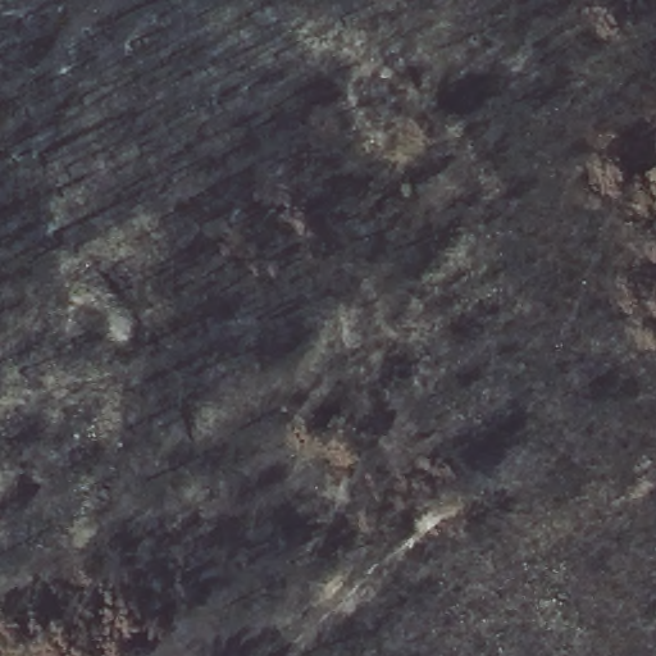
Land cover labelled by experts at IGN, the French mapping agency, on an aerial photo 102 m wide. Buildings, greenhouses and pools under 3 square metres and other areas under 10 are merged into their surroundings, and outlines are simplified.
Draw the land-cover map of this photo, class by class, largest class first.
<instances>
[{"label":"bare soil","instance_id":"1","mask_svg":"<svg viewBox=\"0 0 656 656\"><path fill-rule=\"evenodd\" d=\"M638 120L656 126V0H0V592L26 584L41 587L51 577L64 579L74 564L92 559L95 548H105L113 543L123 548L131 543L151 546L159 533H167L185 546L187 574L192 577V595L177 610L174 620L190 618L197 628L205 630L202 643L213 653L233 656H656V349H643L633 338L625 323V313L615 302V269L630 254L620 243L618 231L623 223H630V215L636 213L633 185L623 187L618 182V197L605 195L589 174V144L600 138V133L605 131L615 133L618 128ZM297 390H305L308 402L313 405H320L325 395L331 400L349 397L366 405V423H359L356 438L349 446V466H338L331 459H318V454L313 451H292L287 446V428L279 420V410L290 402V392Z\"/></svg>","mask_w":656,"mask_h":656},{"label":"coniferous trees","instance_id":"2","mask_svg":"<svg viewBox=\"0 0 656 656\"><path fill-rule=\"evenodd\" d=\"M589 174L605 195L618 197V182L623 187L633 185L636 213L630 215V223H623L618 231L620 243L630 254L615 269V302L625 313V323L633 338L643 349H656V126L638 120L618 128L615 133L605 131L600 133V138L589 144ZM366 405L349 397L331 400L325 395L320 405H313L308 402L305 390H297L290 392V402L279 410V420L287 428V446L292 451H313L318 454V459H331L338 466H349V446L356 438L359 423H366ZM192 595V577L187 574L185 546L167 533H159L151 546L131 543L123 548L113 543L105 548H95L92 559L74 564L64 579L51 577L41 587L26 584L0 592V656H233L213 653L202 643L205 630L197 628L190 618L174 620L177 610Z\"/></svg>","mask_w":656,"mask_h":656}]
</instances>
